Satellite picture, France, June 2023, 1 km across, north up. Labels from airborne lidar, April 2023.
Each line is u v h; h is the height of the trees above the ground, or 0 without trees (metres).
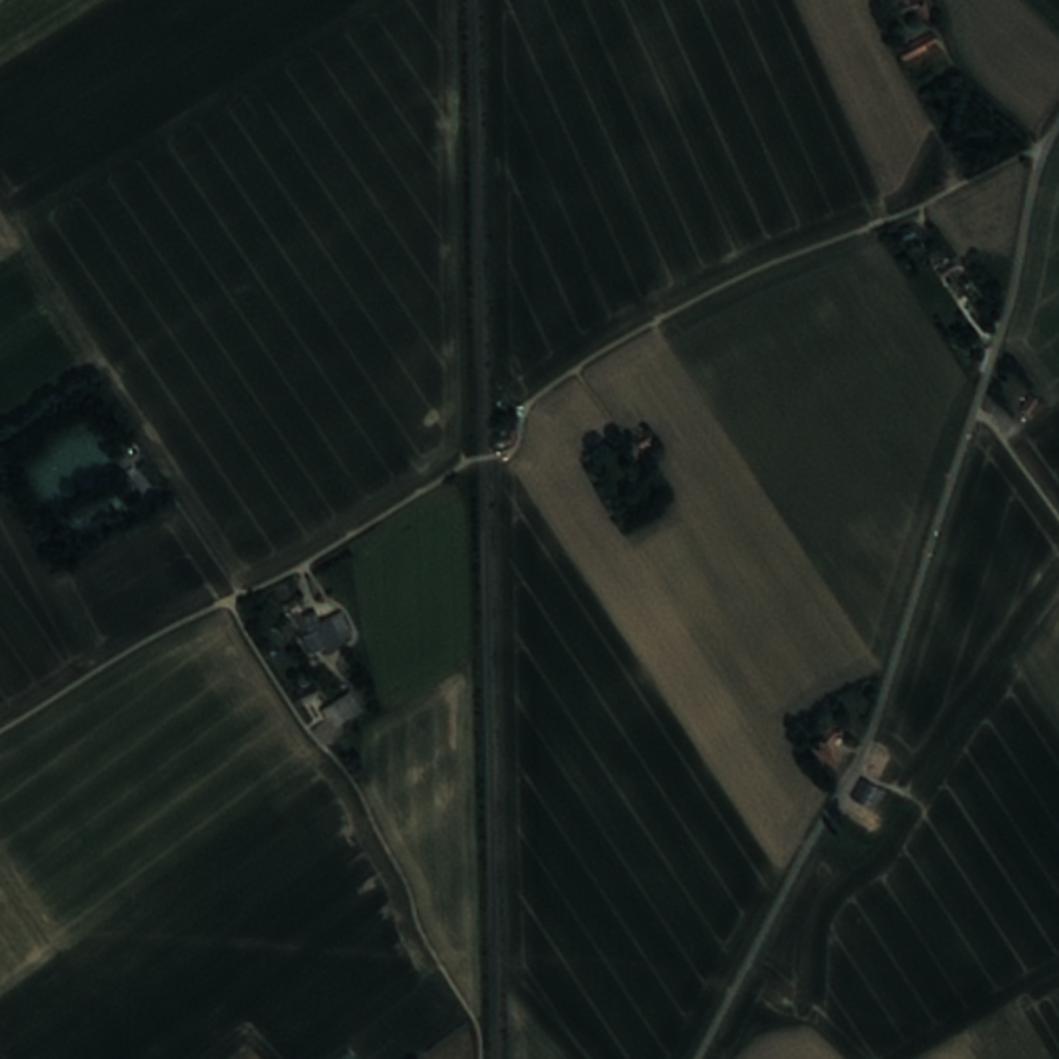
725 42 0
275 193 0
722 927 0
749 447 0
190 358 0
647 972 0
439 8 0
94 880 0
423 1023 0
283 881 0
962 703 0
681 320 0
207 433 0
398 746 0
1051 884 0
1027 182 0
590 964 0
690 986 0
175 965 0
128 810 0
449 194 0
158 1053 0
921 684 0
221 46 0
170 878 0
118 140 0
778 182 0
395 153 0
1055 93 0
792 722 16
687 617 0
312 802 0
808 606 0
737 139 0
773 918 0
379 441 0
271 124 0
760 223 0
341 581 0
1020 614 0
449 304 0
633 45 0
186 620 0
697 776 0
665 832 0
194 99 0
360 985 0
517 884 0
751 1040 0
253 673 0
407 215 0
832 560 0
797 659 0
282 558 0
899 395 0
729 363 0
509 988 0
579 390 0
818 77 0
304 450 0
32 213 0
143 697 0
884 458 0
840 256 0
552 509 0
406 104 0
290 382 0
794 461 0
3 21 0
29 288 0
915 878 0
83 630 0
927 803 0
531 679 0
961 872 0
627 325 0
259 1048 0
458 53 0
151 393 0
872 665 0
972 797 0
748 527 0
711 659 0
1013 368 12
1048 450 0
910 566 0
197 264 0
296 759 0
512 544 0
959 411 0
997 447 0
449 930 0
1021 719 0
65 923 0
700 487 0
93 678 0
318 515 0
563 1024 0
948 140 15
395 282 0
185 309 0
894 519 0
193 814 0
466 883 0
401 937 0
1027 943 0
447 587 0
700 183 0
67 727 0
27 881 0
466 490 0
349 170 0
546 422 0
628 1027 0
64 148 0
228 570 0
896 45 13
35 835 0
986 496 0
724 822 0
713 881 0
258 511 0
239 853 0
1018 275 0
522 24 0
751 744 0
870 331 0
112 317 0
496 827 0
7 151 0
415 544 0
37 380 0
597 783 0
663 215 0
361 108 0
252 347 0
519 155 0
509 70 0
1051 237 0
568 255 0
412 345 0
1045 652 0
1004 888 0
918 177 0
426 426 0
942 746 0
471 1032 0
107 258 0
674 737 0
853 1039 0
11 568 0
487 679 0
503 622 0
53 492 0
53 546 20
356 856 0
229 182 0
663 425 0
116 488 18
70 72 0
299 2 0
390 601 0
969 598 0
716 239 0
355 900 0
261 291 0
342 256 0
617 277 0
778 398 0
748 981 0
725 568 0
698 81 0
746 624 0
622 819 0
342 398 0
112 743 0
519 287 0
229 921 0
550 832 0
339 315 0
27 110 0
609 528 0
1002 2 0
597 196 0
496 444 7
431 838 0
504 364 0
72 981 0
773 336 0
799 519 0
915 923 0
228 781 0
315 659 0
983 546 0
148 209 0
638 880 0
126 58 0
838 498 0
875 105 0
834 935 0
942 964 0
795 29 0
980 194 0
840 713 16
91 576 0
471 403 0
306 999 0
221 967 0
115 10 0
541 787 0
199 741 0
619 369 0
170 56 0
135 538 0
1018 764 0
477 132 0
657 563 0
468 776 0
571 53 0
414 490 0
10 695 0
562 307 0
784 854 0
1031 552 0
